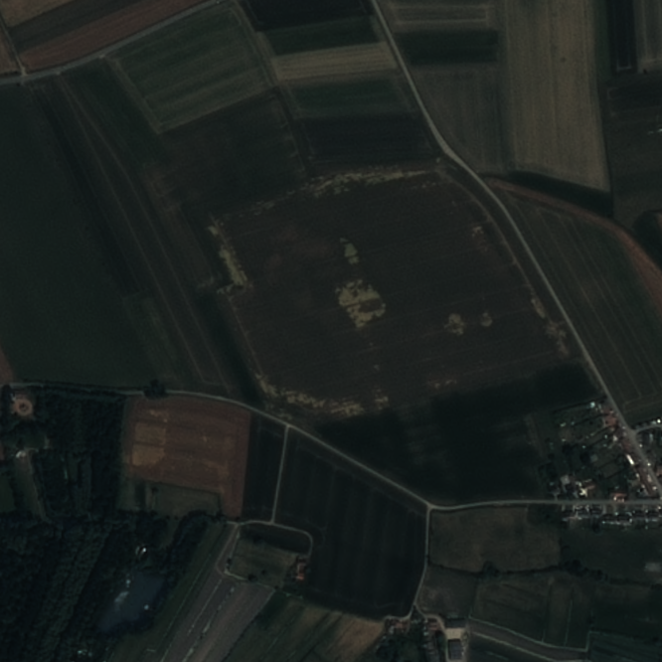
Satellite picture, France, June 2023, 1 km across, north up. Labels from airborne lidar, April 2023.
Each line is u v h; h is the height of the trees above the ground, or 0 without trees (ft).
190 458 0
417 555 0
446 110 0
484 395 0
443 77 0
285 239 0
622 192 0
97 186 0
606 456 0
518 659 0
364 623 0
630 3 0
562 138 0
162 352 0
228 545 0
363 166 0
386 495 0
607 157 0
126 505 0
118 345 0
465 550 0
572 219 0
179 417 0
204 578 0
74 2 0
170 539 0
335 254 0
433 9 0
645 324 0
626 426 0
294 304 0
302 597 0
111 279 0
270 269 0
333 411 0
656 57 0
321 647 0
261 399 0
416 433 0
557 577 0
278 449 0
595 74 0
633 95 0
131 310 0
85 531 77
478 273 0
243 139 0
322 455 0
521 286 0
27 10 0
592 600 0
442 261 0
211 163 0
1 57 0
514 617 0
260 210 0
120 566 40
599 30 0
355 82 0
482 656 0
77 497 68
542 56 0
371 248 0
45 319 0
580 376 0
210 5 0
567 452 36
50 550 87
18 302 0
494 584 0
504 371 0
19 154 0
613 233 0
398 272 0
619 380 0
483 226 0
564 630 0
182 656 0
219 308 0
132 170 0
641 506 0
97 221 0
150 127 0
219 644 0
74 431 48
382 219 0
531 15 0
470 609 0
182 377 0
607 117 0
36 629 54
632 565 0
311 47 0
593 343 0
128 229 0
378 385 0
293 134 0
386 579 0
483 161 0
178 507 0
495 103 0
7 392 44
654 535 0
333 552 0
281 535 0
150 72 0
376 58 0
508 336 0
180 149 0
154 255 0
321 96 0
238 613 0
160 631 0
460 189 0
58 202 0
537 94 0
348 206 0
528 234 0
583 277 0
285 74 0
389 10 0
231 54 0
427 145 0
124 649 0
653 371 0
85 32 0
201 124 0
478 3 0
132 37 0
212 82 0
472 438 0
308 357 0
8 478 36
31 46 0
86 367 0
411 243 0
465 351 0
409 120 0
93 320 0
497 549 0
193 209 0
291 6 0
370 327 0
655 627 0
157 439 0
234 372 0
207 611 0
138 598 0
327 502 0
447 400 0
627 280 0
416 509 0
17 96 0
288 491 0
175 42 0
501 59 0
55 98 0
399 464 0
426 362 0
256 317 0
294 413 0
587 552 0
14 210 0
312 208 0
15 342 0
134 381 0
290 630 0
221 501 0
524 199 0
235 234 0
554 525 0
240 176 0
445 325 0
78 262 0
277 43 0
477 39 0
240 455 0
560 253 0
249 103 0
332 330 0
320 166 0
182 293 0
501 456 0
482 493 0
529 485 0
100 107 0
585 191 0
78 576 68
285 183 0
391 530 0
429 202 0
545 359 0
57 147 0
